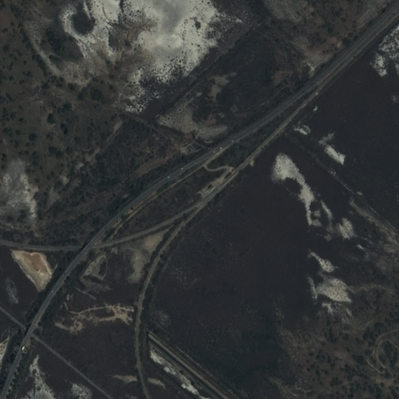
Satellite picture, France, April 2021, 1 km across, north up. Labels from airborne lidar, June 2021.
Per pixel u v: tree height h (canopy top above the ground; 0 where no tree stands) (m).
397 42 0
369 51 0
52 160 0
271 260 0
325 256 0
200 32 0
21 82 6
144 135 0
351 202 0
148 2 0
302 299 0
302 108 0
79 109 0
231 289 0
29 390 0
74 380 0
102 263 0
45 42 7
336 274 0
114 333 0
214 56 0
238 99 0
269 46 0
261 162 0
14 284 0
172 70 0
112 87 6
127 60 0
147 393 0
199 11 0
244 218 0
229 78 0
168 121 0
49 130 0
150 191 0
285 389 0
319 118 0
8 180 0
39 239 0
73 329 0
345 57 0
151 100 0
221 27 0
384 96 0
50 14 0
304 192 0
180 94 0
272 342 0
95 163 0
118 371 0
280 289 0
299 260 0
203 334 0
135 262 0
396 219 0
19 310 0
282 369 0
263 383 0
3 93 0
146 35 0
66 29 0
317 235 0
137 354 0
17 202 0
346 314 0
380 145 0
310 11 0
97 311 0
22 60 0
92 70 0
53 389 0
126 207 0
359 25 0
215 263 0
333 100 0
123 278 0
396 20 0
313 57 0
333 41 0
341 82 0
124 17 0
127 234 0
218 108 0
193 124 0
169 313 0
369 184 0
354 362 0
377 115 0
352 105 0
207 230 0
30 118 0
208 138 0
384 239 0
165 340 0
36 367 0
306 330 0
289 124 0
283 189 0
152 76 0
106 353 0
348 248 0
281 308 0
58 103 0
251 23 0
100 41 0
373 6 0
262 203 0
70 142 0
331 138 0
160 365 0
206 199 0
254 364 0
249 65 0
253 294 0
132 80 0
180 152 0
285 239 0
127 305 0
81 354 0
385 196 0
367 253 0
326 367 0
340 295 0
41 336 7
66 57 0
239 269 0
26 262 0
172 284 0
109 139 0
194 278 0
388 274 0
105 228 0
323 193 0
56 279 0
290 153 0
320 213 0
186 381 0
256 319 0
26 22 0
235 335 0
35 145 0
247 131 0
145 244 0
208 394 0
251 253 0
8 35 0
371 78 0
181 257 0
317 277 0
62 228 0
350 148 0
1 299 0
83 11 0
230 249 0
